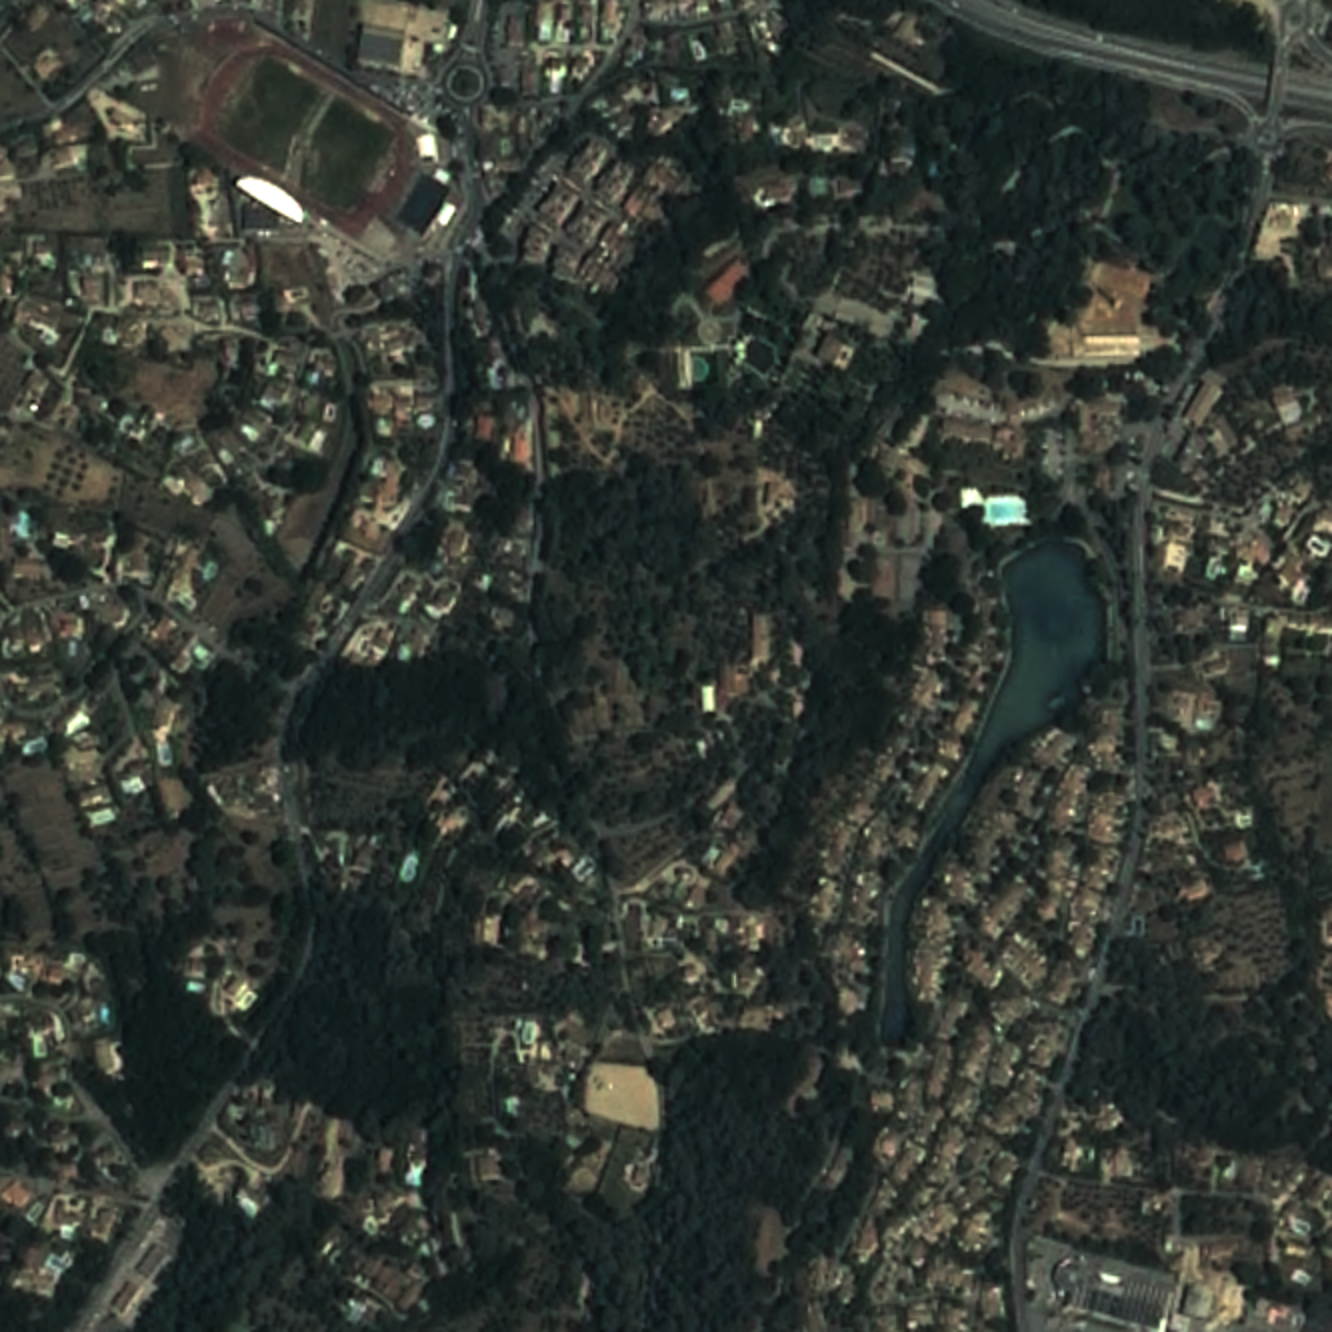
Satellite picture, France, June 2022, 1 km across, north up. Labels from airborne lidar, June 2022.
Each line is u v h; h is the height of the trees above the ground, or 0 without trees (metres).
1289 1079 10
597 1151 8
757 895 19
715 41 13
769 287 15
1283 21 0
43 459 0
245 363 13
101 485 0
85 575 16
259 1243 24
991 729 0
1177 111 0
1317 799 0
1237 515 6
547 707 13
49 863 19
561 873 19
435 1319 7
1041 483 9
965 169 27
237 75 0
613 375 15
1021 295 10
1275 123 0
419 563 7
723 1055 15
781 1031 17
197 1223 11
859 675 14
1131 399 10
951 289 18
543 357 19
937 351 13
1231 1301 0
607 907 12
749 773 6
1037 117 7
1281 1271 11
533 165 9
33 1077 13
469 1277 10
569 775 9
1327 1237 8
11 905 14
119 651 11
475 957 11
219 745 13
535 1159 16
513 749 14
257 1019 12
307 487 18
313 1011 9
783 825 19
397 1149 22
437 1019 9
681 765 6
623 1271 27
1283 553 6
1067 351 0
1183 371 17
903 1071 15
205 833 8
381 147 0
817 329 0
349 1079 15
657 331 9
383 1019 17
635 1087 0
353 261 0
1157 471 7
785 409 14
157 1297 11
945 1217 0
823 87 11
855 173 15
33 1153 18
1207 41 9
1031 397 16
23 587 9
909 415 10
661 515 20
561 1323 6
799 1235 10
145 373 0
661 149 18
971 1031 13
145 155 0
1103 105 13
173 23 0
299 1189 22
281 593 0
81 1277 11
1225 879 13
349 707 12
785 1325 22
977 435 0
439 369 6
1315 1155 10
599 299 14
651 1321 6
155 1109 23
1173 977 16
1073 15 7
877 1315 8
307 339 15
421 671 12
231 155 0
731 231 14
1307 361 7
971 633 13
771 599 21
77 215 0
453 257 0
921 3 6
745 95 9
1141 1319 0
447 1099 15
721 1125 20
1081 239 23
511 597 14
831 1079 13
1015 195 10
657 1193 14
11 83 0
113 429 6
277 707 7
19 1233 24
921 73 13
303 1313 6
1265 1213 8
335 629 8
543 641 9
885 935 13
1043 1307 0
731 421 20
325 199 0
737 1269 23
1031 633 0
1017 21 0
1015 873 9
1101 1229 8
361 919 11
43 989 14
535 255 0
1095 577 13
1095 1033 21
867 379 7
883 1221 12
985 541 13
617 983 18
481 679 13
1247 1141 12
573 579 8
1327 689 14
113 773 7
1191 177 22
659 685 14
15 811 12
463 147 0
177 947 13
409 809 16
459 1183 8
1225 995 8
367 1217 0
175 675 7
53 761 6
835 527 10
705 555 19
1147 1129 21
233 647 8
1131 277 0
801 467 6
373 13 0
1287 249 6
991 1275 6
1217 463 6
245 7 0
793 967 14
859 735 14
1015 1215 7
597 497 16
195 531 10
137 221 0
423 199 0
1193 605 9
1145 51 0
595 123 15
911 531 0
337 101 0
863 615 15
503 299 16
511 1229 21
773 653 7
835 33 22
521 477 14
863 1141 18
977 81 17
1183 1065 21
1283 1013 18
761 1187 14
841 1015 9
